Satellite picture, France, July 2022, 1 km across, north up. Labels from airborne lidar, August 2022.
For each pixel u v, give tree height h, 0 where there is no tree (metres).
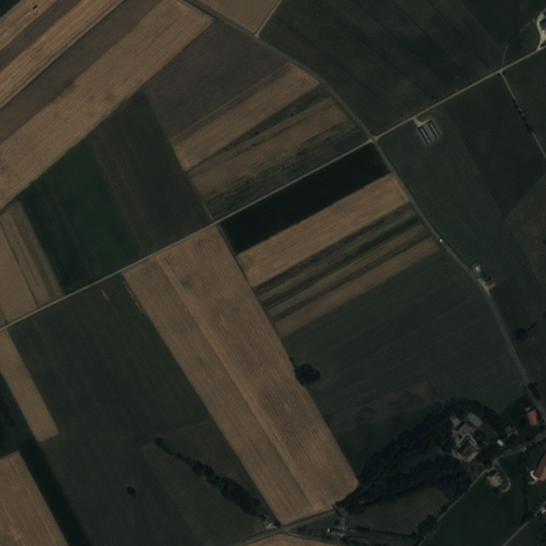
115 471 0
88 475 0
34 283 0
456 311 0
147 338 0
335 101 0
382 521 0
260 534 0
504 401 0
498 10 0
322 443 0
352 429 0
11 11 0
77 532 0
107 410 0
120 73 0
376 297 0
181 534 0
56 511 0
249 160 0
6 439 0
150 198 0
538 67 0
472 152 0
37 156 0
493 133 0
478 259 0
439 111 0
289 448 0
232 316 0
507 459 0
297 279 0
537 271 0
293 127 0
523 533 0
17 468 0
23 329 0
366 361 0
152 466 0
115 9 0
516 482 0
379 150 0
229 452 0
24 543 0
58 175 0
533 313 0
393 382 0
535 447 10
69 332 0
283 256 0
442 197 0
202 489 0
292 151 0
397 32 0
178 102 0
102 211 0
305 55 0
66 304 0
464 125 0
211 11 0
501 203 0
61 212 0
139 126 0
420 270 0
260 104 0
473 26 0
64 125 0
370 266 0
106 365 0
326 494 0
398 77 0
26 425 0
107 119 0
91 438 0
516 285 0
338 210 0
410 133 0
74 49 0
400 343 0
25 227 0
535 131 0
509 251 0
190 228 0
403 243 0
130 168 0
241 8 0
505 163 0
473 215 0
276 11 0
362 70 0
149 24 0
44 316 0
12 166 0
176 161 0
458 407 22
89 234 0
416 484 13
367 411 0
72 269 0
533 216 0
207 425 0
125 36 0
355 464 0
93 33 0
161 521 0
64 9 0
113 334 0
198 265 0
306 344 0
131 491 18
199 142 0
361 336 0
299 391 0
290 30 0
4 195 0
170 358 0
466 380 0
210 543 0
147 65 0
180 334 0
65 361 0
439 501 0
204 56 0
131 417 0
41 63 0
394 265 0
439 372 0
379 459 22
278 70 0
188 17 0
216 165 0
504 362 0
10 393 0
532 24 0
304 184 0
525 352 0
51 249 0
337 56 0
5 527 0
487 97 0
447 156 0
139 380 0
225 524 0
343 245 0
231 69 0
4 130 0
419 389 0
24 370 0
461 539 0
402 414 0
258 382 0
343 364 0
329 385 0
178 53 0
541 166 0
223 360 0
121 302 0
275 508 0
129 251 0
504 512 0
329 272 0
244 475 0
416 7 0
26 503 0
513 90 0
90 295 0
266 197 0
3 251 0
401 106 0
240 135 0
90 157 0
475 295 0
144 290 0
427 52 0
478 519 0
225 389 0
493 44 0
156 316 0
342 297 0
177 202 0
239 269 0
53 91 0
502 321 0
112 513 0
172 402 0
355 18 0
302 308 0
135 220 0
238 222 0
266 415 0
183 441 0
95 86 0
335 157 0
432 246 0
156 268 0
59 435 0
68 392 0
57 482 0
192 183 0
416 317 0
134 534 0
